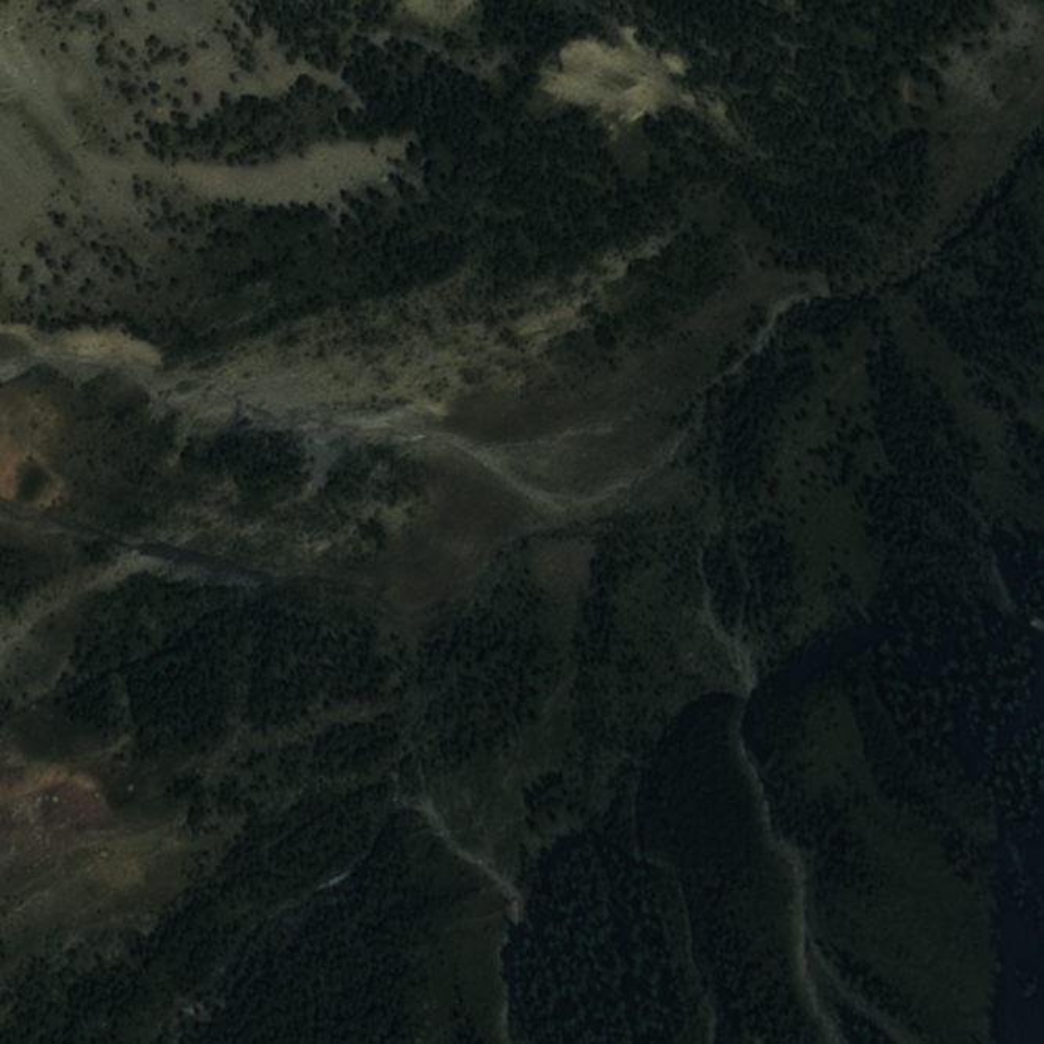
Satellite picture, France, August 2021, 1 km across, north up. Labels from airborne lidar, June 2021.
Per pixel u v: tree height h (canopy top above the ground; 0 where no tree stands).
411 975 9
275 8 16
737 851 6
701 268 9
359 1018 13
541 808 20
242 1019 12
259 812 23
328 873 13
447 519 0
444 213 10
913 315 0
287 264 9
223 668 9
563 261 14
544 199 12
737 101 8
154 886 0
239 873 6
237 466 10
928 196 7
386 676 11
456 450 0
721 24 26
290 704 19
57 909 0
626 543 8
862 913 0
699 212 0
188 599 7
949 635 6
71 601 0
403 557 0
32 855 0
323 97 9
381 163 0
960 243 12
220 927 11
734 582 12
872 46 0
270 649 14
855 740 0
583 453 0
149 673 11
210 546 6
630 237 17
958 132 0
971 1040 0
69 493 0
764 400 13
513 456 0
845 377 0
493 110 22
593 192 16
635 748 8
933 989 0
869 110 22
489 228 17
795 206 12
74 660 12
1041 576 16
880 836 0
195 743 6
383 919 9
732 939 11
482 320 7
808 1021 6
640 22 11
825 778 0
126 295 0
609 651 9
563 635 0
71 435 0
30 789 0
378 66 16
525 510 0
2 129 0
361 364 0
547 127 11
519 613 8
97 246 13
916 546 15
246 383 0
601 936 23
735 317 0
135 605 9
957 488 10
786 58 20
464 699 8
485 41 14
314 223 17
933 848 0
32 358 0
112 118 0
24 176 0
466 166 10
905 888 0
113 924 0
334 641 13
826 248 10
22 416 0
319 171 0
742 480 13
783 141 16
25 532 0
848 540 0
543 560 0
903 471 13
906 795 11
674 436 0
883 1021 0
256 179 0
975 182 0
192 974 13
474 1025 8
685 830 6
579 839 6
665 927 12
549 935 29
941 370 0
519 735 13
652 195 14
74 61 0
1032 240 9
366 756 16
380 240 16
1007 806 17
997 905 0
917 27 18
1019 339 8
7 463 0
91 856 0
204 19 0
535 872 6
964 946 0
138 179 8
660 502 0
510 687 11
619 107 0
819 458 7
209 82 0
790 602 9
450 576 0
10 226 0
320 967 14
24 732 0
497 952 0
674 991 11
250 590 0
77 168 0
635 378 0
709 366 0
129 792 0
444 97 20
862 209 16
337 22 16
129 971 9
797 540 0
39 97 0
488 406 0
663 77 0
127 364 0
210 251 6
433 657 10
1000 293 16
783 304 0
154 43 16
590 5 7
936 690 22
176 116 14
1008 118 0
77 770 0
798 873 0
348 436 0
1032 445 15
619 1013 23
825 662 7
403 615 0
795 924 0
